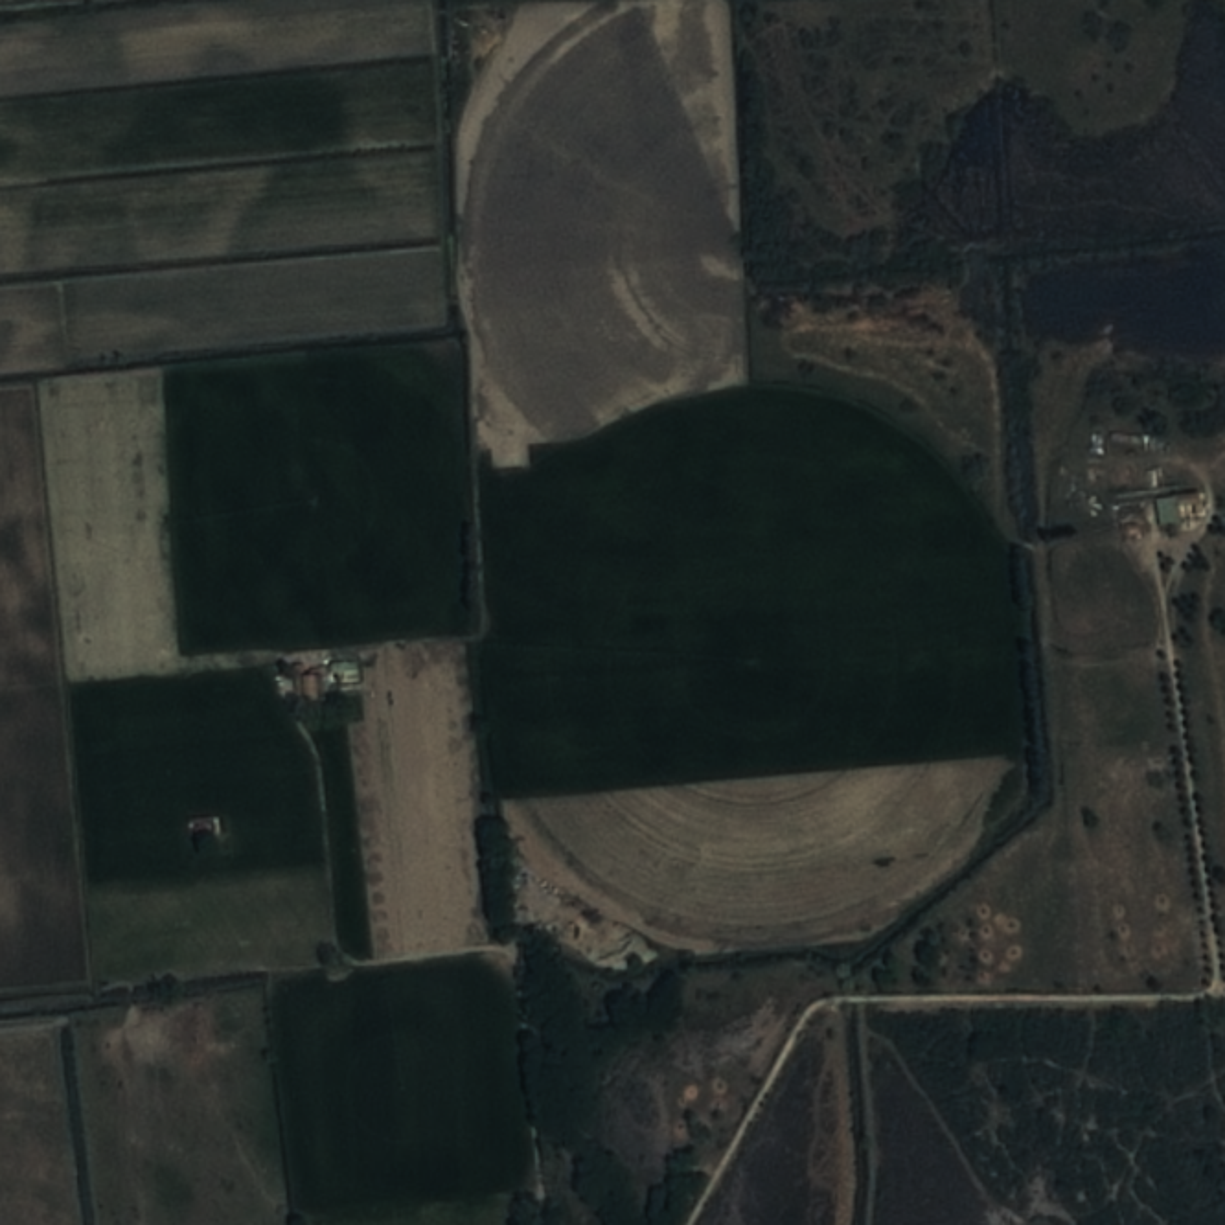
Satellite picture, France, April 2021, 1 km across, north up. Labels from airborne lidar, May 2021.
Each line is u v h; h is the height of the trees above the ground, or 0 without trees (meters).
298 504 0
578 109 0
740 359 0
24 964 0
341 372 0
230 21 0
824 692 0
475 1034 0
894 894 0
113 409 0
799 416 0
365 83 0
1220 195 0
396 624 0
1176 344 0
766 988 0
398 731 0
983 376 0
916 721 0
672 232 0
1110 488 0
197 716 0
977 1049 13
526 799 0
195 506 0
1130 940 0
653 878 0
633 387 0
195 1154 0
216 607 0
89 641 0
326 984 0
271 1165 0
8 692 0
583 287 0
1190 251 0
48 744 0
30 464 0
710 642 0
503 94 0
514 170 0
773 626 0
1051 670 0
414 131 0
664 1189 6
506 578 0
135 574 0
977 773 0
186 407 0
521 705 0
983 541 0
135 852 0
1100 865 0
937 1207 0
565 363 0
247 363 0
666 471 0
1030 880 0
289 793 0
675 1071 0
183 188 0
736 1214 0
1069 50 0
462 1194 0
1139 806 0
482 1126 0
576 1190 10
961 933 0
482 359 0
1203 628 0
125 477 0
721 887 0
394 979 0
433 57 0
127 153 0
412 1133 0
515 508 0
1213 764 0
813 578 0
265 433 0
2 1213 0
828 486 0
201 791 0
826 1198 0
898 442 0
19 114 0
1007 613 0
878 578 0
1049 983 0
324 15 0
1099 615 0
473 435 0
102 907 0
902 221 0
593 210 0
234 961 0
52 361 0
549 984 17
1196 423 10
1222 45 0
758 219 7
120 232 0
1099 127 0
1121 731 0
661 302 0
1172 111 0
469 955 0
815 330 0
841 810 0
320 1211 0
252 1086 0
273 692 0
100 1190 0
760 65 0
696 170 0
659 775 0
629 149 0
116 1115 0
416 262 0
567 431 0
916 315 0
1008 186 0
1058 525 0
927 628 0
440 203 0
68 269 0
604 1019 8
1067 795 0
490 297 0
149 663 0
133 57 0
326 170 0
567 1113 15
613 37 0
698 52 0
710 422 0
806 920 0
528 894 0
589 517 0
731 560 0
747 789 0
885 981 13
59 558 0
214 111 0
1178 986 0
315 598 0
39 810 0
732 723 0
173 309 0
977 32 0
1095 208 0
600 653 0
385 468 0
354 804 0
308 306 0
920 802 0
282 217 0
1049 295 0
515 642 0
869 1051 0
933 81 0
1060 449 0
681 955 0
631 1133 0
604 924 0
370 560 0
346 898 0
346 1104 0
